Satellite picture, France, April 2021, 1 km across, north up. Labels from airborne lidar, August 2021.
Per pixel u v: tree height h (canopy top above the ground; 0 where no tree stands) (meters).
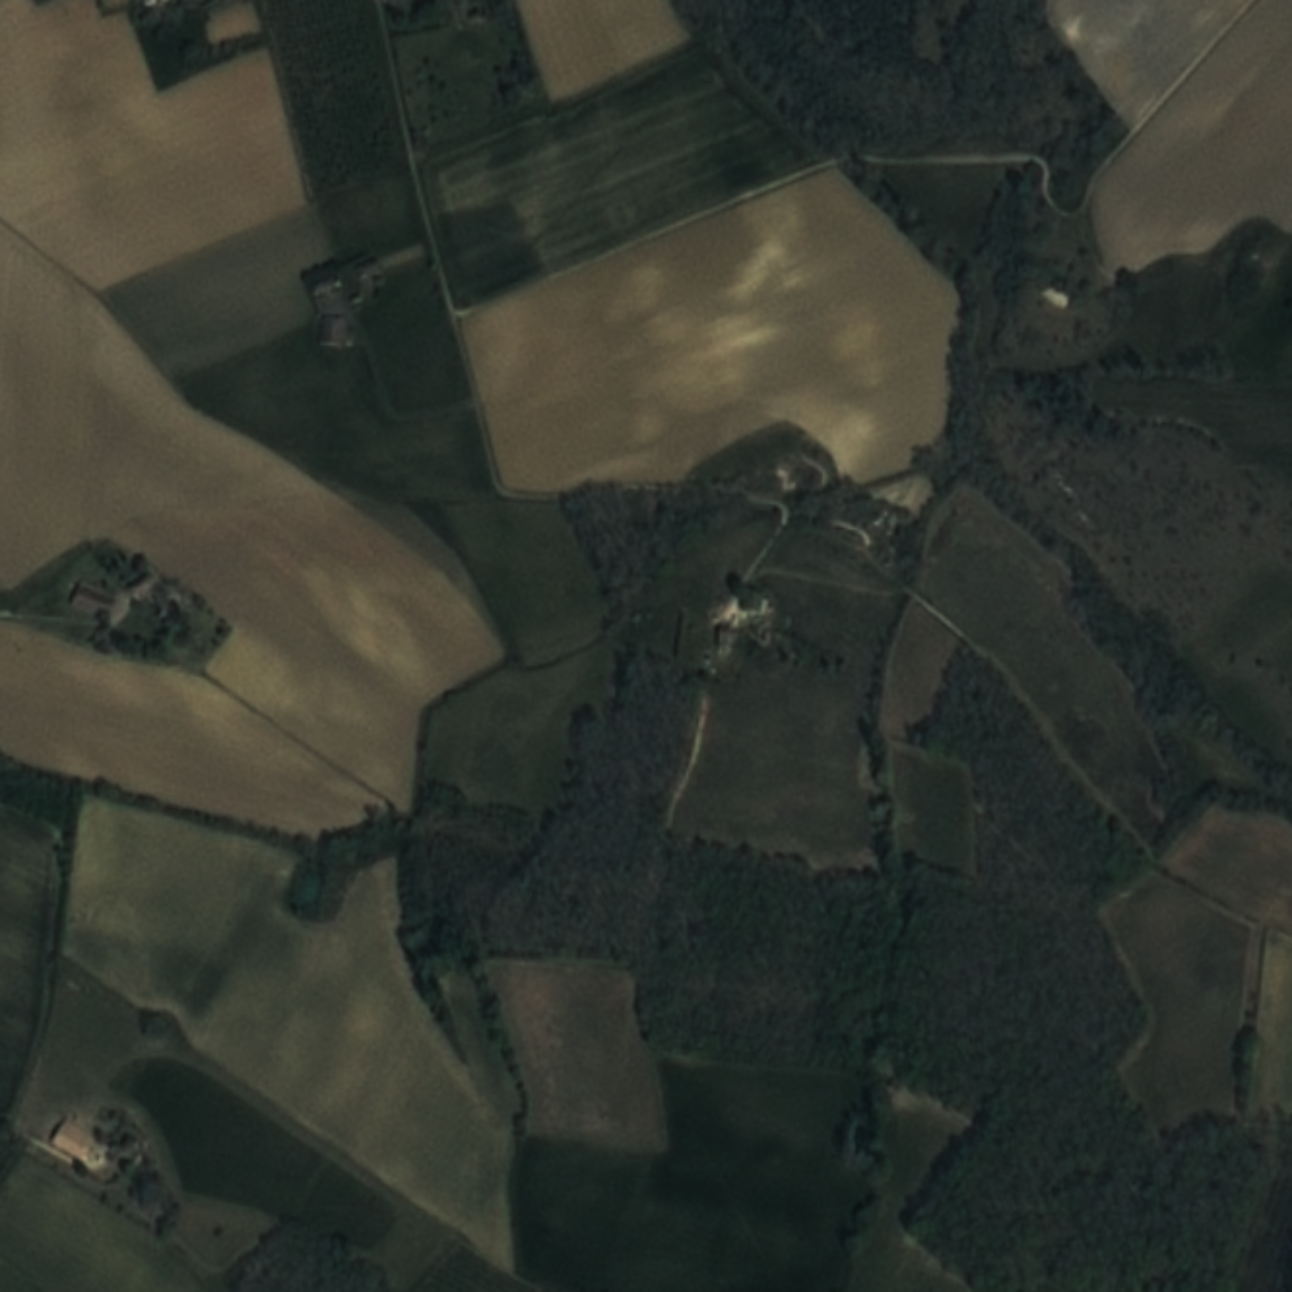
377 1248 0
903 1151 0
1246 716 0
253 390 0
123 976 0
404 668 0
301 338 0
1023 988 21
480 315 0
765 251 0
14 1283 0
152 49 0
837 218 0
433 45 0
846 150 21
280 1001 0
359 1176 0
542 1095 0
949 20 5
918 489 0
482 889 12
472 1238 0
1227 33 0
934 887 21
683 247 0
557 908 17
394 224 0
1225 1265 26
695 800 0
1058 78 9
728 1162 0
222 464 0
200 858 0
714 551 0
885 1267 0
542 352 0
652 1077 0
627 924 21
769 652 0
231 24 0
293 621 0
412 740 0
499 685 0
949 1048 21
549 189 0
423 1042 0
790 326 0
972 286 23
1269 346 0
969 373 20
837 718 0
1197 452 0
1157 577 0
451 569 0
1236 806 14
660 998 13
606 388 0
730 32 15
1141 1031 13
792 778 0
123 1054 0
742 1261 0
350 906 0
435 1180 0
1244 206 0
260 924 0
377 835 15
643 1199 0
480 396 0
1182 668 6
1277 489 0
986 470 17
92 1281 0
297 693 0
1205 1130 17
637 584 13
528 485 0
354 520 0
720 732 0
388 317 0
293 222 0
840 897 22
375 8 0
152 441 0
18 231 0
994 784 17
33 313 0
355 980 0
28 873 0
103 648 6
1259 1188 22
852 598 0
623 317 0
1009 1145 21
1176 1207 24
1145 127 0
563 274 0
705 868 20
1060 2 0
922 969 22
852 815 0
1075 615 14
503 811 11
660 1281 0
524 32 7
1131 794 0
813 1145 0
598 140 0
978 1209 26
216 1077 0
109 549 0
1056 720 0
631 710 17
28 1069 0
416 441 0
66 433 0
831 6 14
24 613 0
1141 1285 10
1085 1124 22
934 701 0
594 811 17
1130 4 0
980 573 0
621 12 0
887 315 0
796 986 19
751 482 10
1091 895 19
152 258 0
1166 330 0
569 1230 0
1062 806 18
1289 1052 0
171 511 0
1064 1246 18
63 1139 0
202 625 0
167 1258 0
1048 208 14
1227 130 0
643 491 10
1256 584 0
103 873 0
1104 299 9
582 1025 0
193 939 0
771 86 14
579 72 0
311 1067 0
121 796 8
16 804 13
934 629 0
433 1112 0
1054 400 12
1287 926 0
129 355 0
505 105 11
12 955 0
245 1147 0
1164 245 0
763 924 22
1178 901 0
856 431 0
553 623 0
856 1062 16
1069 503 7
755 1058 10
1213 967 0
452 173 0
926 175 0
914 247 23
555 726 0
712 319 0
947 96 18
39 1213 0
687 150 0
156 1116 0
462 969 7
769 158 0
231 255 0
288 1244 14
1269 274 0
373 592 0
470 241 0
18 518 0
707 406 0
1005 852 13
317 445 0
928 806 0
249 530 0
